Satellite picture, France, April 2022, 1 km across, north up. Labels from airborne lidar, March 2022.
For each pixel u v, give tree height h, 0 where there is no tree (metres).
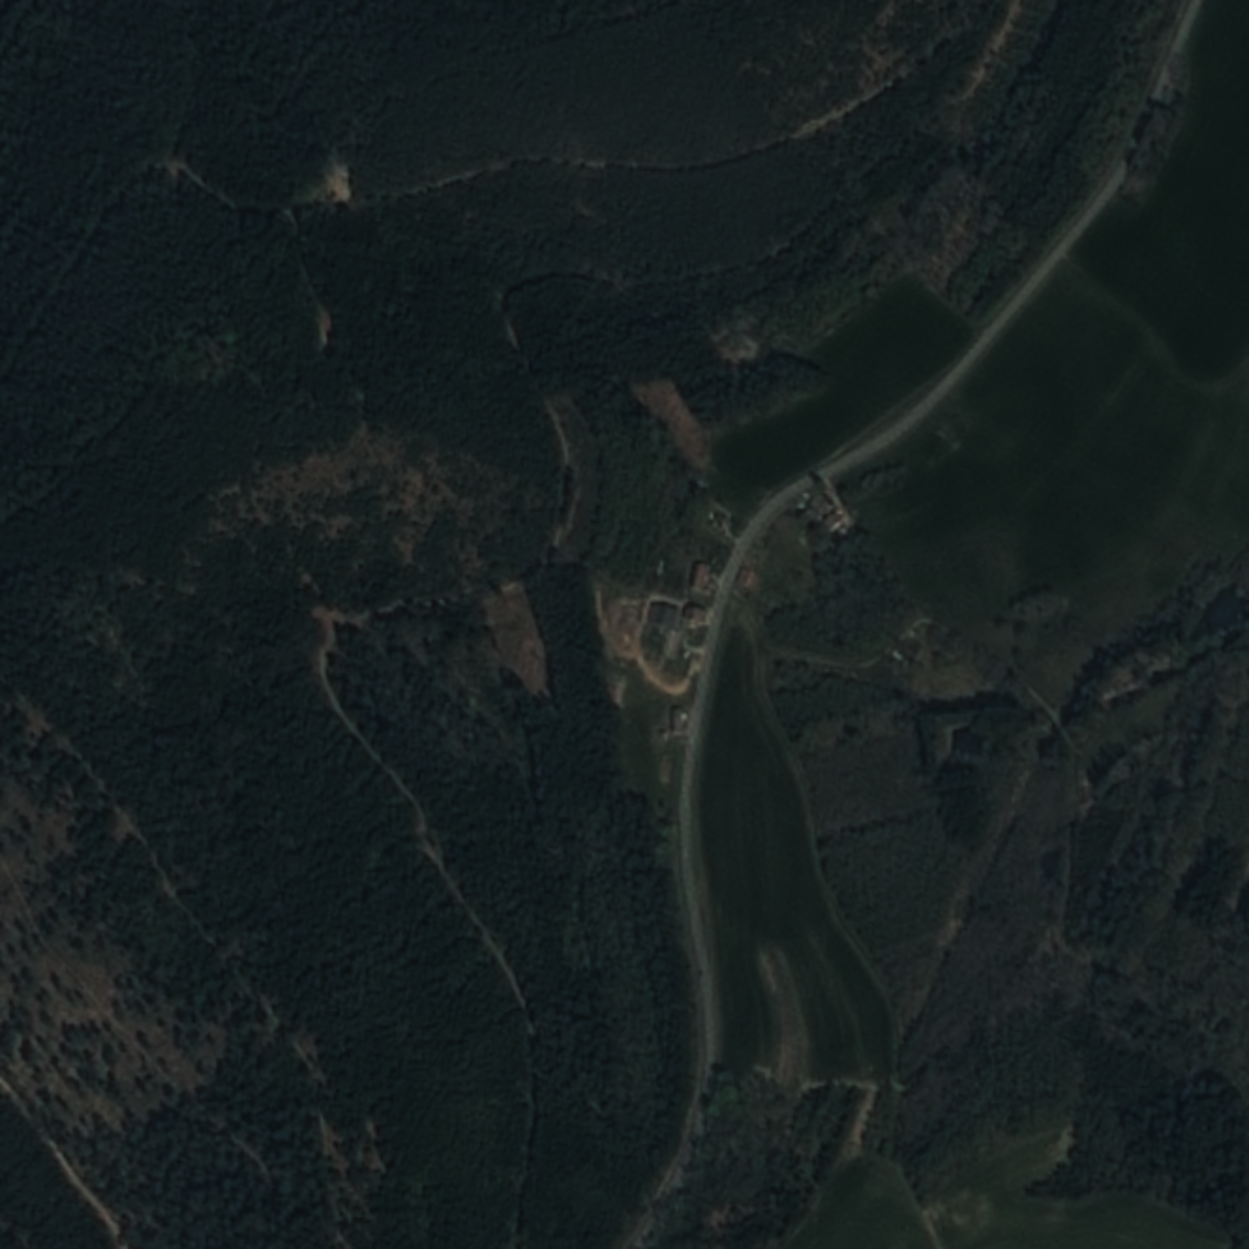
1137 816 9
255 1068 20
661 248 13
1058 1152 0
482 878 25
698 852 0
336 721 27
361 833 22
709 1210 22
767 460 0
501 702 7
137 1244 13
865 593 22
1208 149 0
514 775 26
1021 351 0
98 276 18
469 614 14
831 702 11
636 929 21
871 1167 0
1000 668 17
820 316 15
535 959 22
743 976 0
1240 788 15
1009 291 8
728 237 15
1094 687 20
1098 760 0
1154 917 26
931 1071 12
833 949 0
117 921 6
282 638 22
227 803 15
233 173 17
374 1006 20
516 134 10
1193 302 0
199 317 21
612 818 25
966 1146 18
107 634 12
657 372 26
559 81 11
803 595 0
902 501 0
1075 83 16
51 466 18
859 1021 0
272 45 12
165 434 10
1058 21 10
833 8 7
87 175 7
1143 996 17
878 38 7
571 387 31
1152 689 19
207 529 11
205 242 14
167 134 14
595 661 21
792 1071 0
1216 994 17
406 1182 19
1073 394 0
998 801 13
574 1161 18
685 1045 27
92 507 9
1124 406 0
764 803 0
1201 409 0
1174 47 0
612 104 11
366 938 24
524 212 12
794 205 14
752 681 0
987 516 0
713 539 0
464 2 12
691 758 0
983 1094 14
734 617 0
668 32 11
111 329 17
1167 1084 10
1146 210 0
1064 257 0
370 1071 15
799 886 0
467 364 17
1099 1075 10
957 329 0
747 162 13
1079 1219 0
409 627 25
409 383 14
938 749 23
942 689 0
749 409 29
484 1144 14
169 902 5
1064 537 0
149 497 12
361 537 9
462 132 13
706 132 11
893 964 12
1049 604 19
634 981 21
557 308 23
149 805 11
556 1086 29
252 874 8
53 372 22
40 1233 13
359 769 19
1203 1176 26
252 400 12
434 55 10
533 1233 18
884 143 11
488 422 9
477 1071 20
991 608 0
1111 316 0
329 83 11
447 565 8
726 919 0
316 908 18
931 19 10
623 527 15
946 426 0
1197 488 0
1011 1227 0
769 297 12
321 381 14
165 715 14
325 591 14
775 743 0
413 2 17
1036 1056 17
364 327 11
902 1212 0
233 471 10
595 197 10
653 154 9
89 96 12
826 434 0
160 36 13
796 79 9
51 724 8
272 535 14
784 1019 0
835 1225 0
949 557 0
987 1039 10
